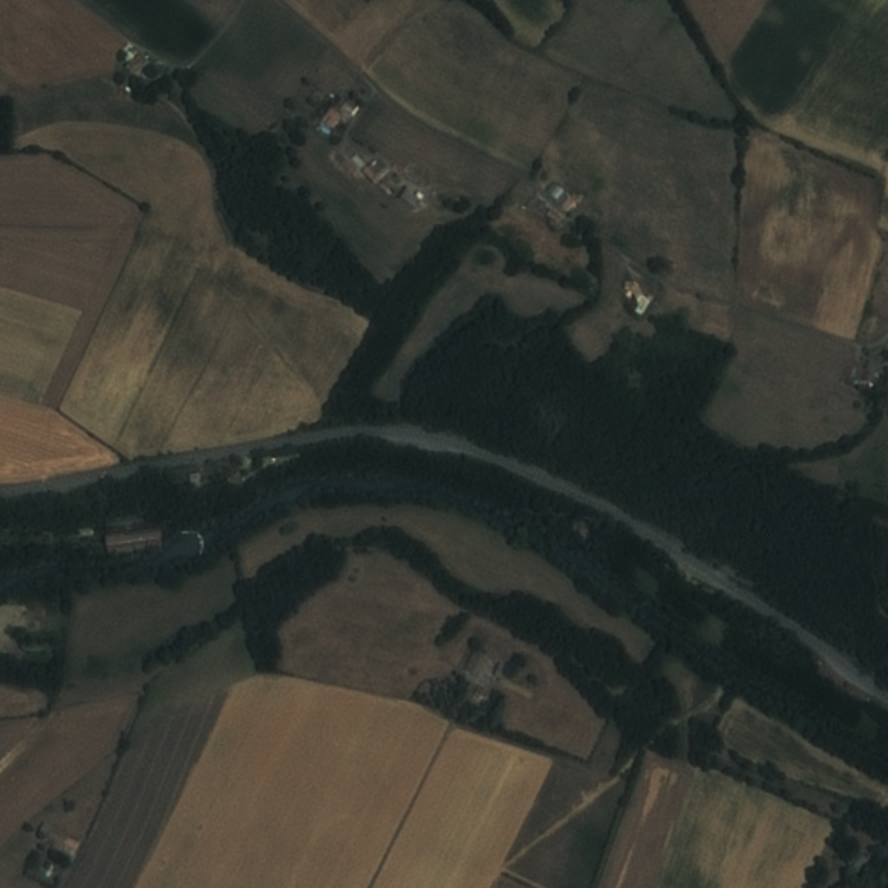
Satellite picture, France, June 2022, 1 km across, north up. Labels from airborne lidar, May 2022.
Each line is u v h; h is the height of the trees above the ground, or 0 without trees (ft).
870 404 21
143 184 0
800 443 0
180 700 0
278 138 41
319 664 0
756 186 0
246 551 0
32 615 0
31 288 0
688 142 0
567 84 0
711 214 0
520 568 0
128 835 0
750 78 0
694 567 0
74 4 0
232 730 0
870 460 0
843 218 0
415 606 0
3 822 0
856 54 0
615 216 0
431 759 0
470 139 0
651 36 0
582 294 0
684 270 0
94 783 0
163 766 0
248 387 0
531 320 30
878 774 65
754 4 0
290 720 0
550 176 0
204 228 0
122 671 0
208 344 0
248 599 49
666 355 19
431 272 62
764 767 31
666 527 35
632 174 0
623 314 0
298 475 84
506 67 0
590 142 0
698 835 0
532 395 51
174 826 0
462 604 37
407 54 0
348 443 47
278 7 0
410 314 46
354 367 37
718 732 44
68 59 0
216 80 0
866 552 43
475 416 38
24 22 0
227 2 0
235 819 0
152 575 38
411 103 0
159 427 0
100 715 0
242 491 46
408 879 0
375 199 0
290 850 0
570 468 46
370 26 0
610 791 0
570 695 0
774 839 0
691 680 0
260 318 0
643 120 0
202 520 45
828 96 0
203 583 0
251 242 41
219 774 0
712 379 32
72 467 0
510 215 0
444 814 0
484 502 43
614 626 0
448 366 60
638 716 49
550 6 0
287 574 45
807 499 63
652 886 0
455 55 0
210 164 0
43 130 0
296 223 53
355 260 45
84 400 0
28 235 0
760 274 0
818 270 0
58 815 0
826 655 0
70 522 46
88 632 0
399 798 0
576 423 40
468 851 0
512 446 47
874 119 0
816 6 0
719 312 0
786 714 50
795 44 0
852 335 0
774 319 0
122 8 0
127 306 0
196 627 22
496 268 0
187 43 0
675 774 0
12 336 0
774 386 0
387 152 0
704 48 31
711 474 34
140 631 0
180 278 0
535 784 0
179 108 0
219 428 0
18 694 0
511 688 0
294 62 0
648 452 67
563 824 0
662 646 43
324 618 0
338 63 0
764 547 49
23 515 48
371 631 0
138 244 0
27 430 0
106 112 0
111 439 0
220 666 0
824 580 54
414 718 0
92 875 0
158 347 0
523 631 38
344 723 0
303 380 0
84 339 0
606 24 0
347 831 0
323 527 0
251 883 0
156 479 53
